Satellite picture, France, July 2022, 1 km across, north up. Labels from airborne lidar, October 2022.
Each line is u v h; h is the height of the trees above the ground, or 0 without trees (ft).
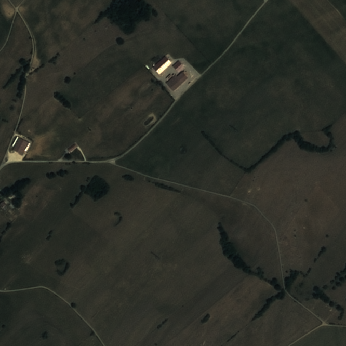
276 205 0
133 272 0
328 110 0
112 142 0
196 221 0
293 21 0
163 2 0
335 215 0
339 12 0
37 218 0
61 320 0
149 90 0
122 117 0
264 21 0
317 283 0
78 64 0
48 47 0
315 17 0
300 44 0
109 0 0
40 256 0
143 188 0
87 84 0
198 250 0
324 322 0
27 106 0
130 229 0
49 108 0
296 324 0
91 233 0
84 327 0
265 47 0
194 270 0
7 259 0
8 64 0
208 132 0
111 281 0
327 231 0
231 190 0
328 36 0
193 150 0
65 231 0
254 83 0
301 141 45
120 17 50
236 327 0
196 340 0
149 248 0
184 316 0
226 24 0
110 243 0
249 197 0
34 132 0
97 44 0
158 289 0
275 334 0
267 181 0
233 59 0
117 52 0
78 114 0
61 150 0
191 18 0
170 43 0
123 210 0
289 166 0
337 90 0
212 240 0
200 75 0
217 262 0
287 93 0
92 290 0
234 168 0
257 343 0
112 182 0
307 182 0
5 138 0
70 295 0
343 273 21
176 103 0
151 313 0
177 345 0
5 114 0
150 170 0
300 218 0
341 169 0
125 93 0
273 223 0
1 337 0
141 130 0
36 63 0
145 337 0
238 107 0
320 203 0
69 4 0
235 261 67
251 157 0
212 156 0
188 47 0
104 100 0
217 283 0
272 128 0
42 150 0
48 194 0
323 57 0
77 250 0
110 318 0
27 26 0
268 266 0
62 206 0
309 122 0
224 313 0
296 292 0
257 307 0
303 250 0
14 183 0
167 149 0
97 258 0
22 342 0
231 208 0
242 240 0
